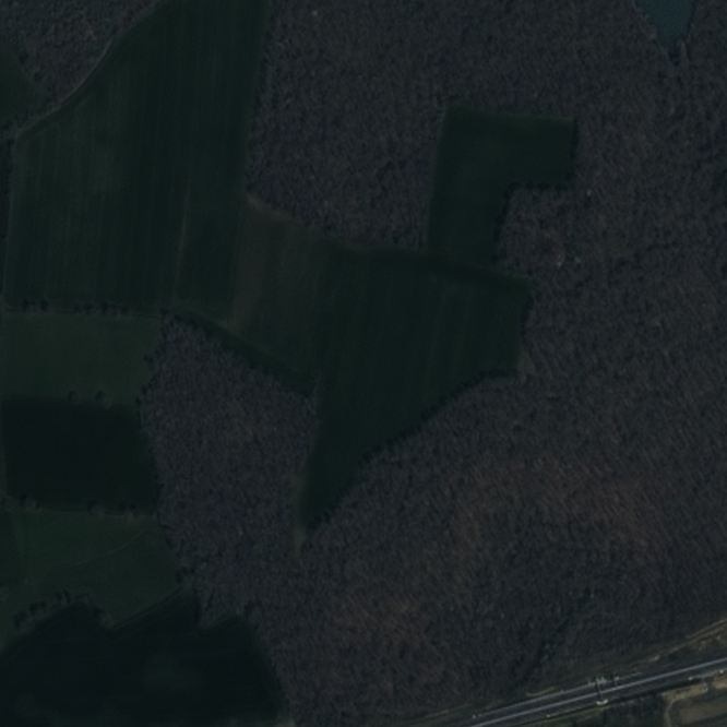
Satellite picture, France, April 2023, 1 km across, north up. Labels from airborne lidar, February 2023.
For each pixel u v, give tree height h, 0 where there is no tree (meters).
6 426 0
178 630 0
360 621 19
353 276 0
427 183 23
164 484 15
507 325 0
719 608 19
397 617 20
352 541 20
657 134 20
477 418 24
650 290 23
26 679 0
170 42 0
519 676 20
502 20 18
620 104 17
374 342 0
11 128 11
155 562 0
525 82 19
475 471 21
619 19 22
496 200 0
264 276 0
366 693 21
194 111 0
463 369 0
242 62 0
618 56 21
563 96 21
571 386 23
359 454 0
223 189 0
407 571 20
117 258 0
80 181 0
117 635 0
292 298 0
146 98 0
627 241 19
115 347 0
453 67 20
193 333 19
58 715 0
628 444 21
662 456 26
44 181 0
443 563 21
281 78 21
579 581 24
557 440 21
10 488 0
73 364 0
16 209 0
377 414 0
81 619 0
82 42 6
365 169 21
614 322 22
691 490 23
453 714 0
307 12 21
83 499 0
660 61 17
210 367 23
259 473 20
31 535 0
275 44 20
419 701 18
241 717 0
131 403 0
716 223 16
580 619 8
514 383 24
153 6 15
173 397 23
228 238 0
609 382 22
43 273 0
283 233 0
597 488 23
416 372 0
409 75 14
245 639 0
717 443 26
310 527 0
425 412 0
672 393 26
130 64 0
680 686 0
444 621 23
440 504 18
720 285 22
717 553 24
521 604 19
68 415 0
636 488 25
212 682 0
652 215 18
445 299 0
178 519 23
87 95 0
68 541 0
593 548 20
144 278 0
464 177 0
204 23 0
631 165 23
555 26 20
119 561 0
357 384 0
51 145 0
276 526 22
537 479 22
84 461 0
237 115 0
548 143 0
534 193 18
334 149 20
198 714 0
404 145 25
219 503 22
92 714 0
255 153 18
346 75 12
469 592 25
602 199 21
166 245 0
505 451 20
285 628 17
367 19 21
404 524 21
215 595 19
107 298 0
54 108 12
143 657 0
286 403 20
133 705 0
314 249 0
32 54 10
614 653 16
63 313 0
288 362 0
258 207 0
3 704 0
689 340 19
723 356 23
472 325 0
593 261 22
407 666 20
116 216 0
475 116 0
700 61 22
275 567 19
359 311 0
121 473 0
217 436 19
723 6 20
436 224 0
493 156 0
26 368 0
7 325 0
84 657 0
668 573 23
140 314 0
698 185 20
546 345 27
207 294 0
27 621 17
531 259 21
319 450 0
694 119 23
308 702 8
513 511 20
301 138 20
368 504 20
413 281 0
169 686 0
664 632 10
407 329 0
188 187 0
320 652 17
